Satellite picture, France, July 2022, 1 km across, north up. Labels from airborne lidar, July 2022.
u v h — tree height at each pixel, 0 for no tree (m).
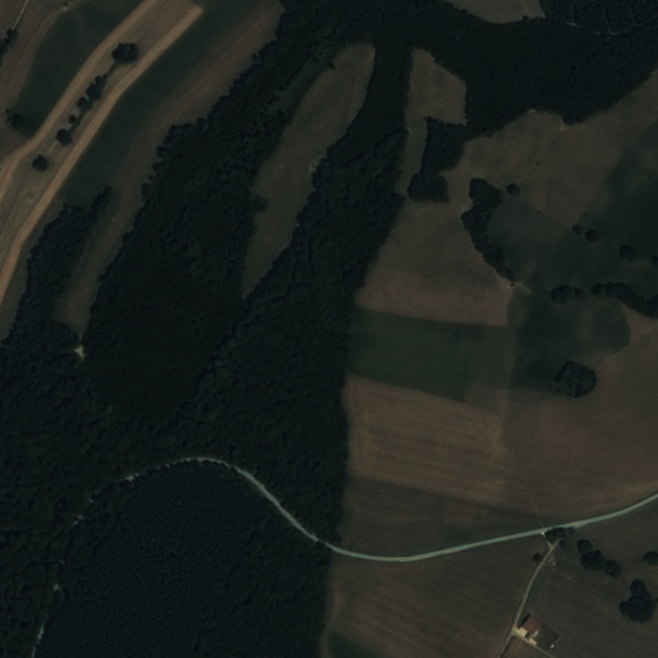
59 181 0
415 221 0
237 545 25
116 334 9
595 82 13
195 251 24
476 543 0
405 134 23
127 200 0
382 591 0
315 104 0
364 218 27
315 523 22
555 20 10
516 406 0
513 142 0
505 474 0
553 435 0
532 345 0
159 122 0
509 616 0
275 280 22
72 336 22
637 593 18
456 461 0
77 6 0
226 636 24
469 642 0
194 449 21
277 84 11
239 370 23
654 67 19
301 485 24
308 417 22
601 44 10
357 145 15
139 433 26
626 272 0
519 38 12
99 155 0
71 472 30
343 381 22
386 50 13
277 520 23
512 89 12
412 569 0
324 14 22
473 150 0
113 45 0
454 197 0
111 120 0
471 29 18
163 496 22
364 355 0
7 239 0
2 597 35
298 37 9
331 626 0
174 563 25
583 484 0
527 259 0
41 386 31
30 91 0
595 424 0
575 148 0
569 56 11
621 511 0
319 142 0
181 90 0
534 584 0
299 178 0
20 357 30
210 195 17
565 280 0
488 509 0
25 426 30
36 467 32
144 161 0
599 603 0
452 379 0
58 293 16
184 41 0
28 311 23
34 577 36
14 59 0
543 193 0
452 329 0
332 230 32
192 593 23
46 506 42
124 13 0
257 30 0
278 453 21
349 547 0
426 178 18
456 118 0
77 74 0
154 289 10
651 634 0
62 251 22
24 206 0
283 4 18
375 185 21
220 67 0
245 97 9
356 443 0
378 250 21
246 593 24
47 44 0
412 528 0
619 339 0
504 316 0
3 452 31
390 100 14
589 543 14
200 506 25
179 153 11
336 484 20
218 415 24
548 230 0
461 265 0
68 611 28
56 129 0
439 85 0
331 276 24
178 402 11
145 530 27
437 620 0
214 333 9
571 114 14
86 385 17
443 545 0
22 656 28
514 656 0
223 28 0
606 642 0
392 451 0
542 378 0
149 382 8
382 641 0
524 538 0
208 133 17
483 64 12
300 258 31
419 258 0
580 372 16
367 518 0
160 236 7
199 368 10
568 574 0
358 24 25
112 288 8
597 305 0
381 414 0
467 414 0
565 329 0
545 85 10
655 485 0
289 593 24
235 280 21
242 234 15
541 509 0
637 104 0
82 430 33
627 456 0
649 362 0
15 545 36
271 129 19
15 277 0
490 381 0
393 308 0
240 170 27
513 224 0
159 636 24
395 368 0
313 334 22
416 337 0
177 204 7
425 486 0
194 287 9
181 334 8
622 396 0
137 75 0
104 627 24
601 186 0
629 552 0
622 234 0
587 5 20
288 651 23
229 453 13
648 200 0
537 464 0
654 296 0
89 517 23
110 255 0
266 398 28
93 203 0
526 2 0
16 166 0
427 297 0
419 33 13
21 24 0
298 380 22
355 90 0
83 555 32
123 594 23
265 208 17
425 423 0
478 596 0
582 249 0
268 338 28
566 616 0
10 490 33
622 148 0
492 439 0
